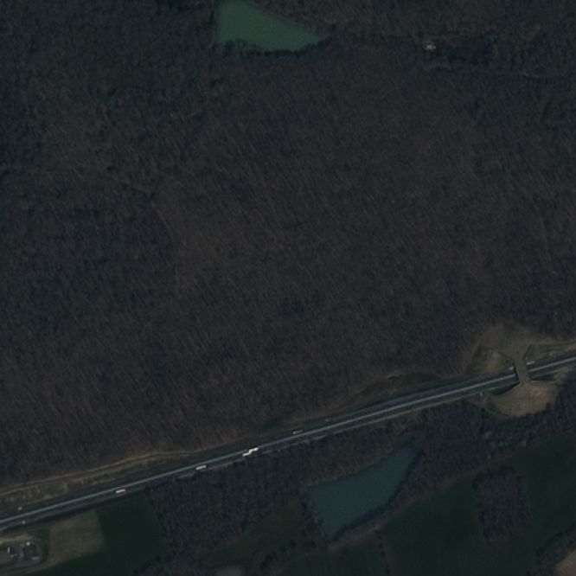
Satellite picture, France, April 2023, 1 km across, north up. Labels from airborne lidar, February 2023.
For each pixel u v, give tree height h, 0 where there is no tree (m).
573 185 23
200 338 25
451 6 21
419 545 0
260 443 0
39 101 22
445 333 18
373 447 19
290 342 23
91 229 26
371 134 21
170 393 26
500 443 12
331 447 23
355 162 25
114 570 0
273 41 0
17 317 23
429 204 20
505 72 22
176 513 22
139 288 24
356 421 0
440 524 0
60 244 20
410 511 0
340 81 22
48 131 21
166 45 15
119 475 0
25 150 18
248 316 20
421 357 18
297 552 12
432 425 22
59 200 24
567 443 0
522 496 26
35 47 12
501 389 0
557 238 21
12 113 19
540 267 25
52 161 18
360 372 21
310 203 23
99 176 19
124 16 23
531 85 25
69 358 24
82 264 19
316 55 18
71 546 0
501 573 0
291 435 0
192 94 20
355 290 21
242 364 21
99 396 26
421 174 20
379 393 0
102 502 0
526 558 0
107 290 28
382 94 20
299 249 22
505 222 21
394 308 17
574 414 24
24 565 0
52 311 27
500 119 24
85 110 26
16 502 0
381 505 0
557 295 21
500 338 0
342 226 21
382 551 12
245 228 21
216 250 23
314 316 24
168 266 25
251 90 23
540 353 0
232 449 0
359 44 21
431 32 25
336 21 26
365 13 24
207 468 0
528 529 0
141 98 17
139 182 19
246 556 0
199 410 21
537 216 20
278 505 22
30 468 21
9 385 24
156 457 0
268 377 21
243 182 25
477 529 0
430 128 18
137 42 19
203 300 24
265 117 23
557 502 0
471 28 20
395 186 22
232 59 21
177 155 24
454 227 19
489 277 20
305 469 21
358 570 0
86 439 21
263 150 24
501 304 16
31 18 21
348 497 0
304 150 24
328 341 23
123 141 23
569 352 0
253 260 22
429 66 22
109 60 17
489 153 23
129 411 23
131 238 19
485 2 26
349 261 22
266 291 25
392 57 24
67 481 0
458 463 21
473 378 0
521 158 23
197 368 25
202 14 20
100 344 26
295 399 15
